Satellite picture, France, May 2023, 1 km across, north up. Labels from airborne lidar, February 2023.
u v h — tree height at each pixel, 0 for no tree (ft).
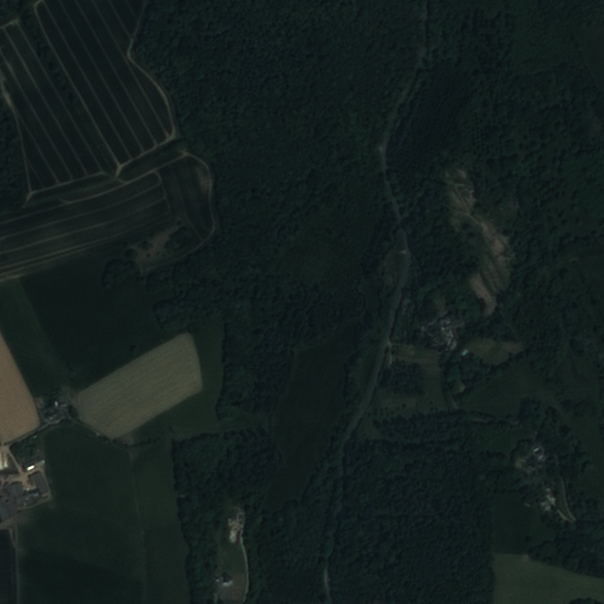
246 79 62
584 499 27
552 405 0
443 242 74
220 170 55
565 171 53
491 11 46
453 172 0
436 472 59
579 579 0
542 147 31
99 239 0
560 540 27
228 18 62
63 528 0
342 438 65
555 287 43
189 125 77
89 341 0
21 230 0
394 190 63
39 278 0
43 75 0
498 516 0
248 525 43
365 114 68
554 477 40
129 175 0
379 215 22
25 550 0
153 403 0
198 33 66
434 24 82
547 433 83
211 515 74
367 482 78
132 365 0
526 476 33
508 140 43
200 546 72
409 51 74
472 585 45
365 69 56
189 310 70
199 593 58
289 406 0
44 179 0
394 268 0
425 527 52
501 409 0
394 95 69
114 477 0
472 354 0
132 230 0
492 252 0
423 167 52
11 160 87
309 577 23
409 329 21
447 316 32
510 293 31
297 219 78
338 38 64
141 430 0
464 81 44
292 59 70
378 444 39
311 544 50
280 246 80
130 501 0
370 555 74
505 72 31
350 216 72
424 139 52
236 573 0
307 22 54
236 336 77
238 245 61
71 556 0
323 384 0
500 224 28
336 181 75
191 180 0
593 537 79
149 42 76
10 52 0
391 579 73
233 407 73
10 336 0
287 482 0
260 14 56
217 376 0
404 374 67
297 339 110
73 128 0
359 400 73
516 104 54
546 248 69
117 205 0
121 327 0
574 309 70
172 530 0
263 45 46
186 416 0
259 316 58
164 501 0
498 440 0
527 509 0
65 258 0
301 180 60
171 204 0
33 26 43
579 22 44
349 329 0
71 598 0
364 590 72
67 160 0
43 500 0
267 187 74
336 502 72
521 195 67
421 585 50
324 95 53
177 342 0
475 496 63
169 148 29
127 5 0
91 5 0
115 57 0
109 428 0
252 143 61
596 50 0
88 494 0
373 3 73
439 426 97
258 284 84
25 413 0
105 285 53
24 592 0
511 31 50
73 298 0
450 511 41
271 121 67
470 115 32
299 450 0
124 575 0
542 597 0
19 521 0
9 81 0
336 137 66
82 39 0
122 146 0
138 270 28
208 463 66
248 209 89
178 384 0
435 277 63
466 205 0
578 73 26
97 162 0
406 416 0
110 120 0
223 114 73
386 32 59
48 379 0
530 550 22
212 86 68
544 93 41
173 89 86
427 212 73
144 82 0
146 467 0
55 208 0
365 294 0
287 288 48
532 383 0
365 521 87
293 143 59
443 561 60
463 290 86
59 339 0
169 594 0
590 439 0
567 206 0
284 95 69
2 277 0
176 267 30
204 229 0
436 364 0
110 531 0
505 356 0
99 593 0
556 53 58
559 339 94
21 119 0
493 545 24
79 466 0
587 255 0
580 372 0
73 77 0
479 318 81
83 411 0
